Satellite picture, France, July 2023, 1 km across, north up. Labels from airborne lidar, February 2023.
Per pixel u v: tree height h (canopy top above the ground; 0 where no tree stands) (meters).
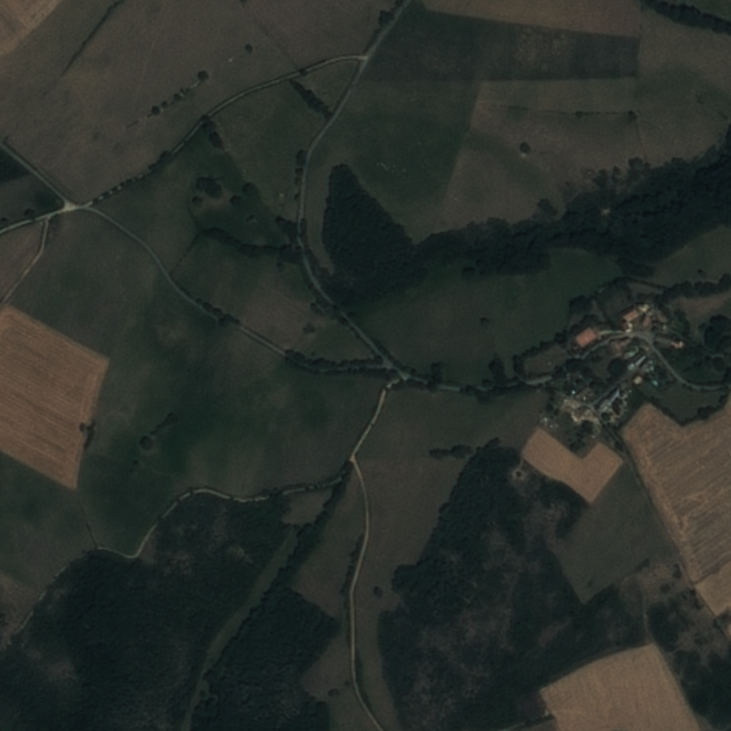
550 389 6
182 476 0
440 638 0
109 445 0
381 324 0
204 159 0
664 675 0
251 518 8
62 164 0
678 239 9
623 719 0
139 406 0
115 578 13
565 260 0
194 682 12
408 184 0
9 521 0
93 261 0
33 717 11
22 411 0
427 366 0
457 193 0
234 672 7
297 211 0
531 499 0
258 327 0
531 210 0
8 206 0
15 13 0
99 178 0
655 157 0
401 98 0
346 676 0
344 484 10
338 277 7
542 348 7
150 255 0
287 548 0
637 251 17
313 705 12
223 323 10
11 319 0
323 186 0
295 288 0
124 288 0
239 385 0
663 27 0
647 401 0
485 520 8
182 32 0
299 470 0
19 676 9
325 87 0
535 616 0
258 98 0
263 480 0
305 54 0
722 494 0
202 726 18
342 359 0
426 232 0
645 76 0
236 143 0
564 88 0
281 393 0
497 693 10
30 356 0
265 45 0
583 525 0
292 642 12
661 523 0
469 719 6
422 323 0
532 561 0
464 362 0
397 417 0
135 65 0
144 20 0
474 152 0
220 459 0
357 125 0
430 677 6
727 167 13
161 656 11
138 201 0
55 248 0
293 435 0
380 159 0
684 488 0
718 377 0
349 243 16
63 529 0
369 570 0
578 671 0
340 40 0
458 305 0
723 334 14
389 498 0
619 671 0
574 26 0
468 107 0
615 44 0
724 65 0
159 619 12
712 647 0
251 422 0
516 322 0
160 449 0
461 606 8
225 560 9
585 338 0
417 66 0
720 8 0
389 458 0
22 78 0
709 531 0
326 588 0
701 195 26
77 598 11
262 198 0
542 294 0
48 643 7
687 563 0
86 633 23
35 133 0
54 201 0
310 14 0
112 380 0
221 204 0
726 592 0
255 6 0
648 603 0
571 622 0
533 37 0
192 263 0
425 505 0
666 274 0
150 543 0
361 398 0
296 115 0
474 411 0
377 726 0
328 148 0
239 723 11
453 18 0
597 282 0
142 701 11
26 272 0
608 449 0
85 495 0
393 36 0
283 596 12
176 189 0
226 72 0
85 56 0
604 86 0
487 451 11
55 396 0
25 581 0
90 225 0
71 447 0
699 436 0
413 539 0
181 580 7
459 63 0
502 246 7
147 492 0
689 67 0
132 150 0
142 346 0
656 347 9
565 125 0
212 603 11
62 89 0
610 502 0
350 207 12
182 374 0
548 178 0
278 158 0
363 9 0
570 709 0
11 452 0
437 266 8
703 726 0
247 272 0
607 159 0
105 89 0
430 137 0
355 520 0
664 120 0
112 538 0
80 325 0
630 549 0
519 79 0
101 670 15
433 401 0
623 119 0
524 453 0
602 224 16
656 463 0
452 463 0
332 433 0
